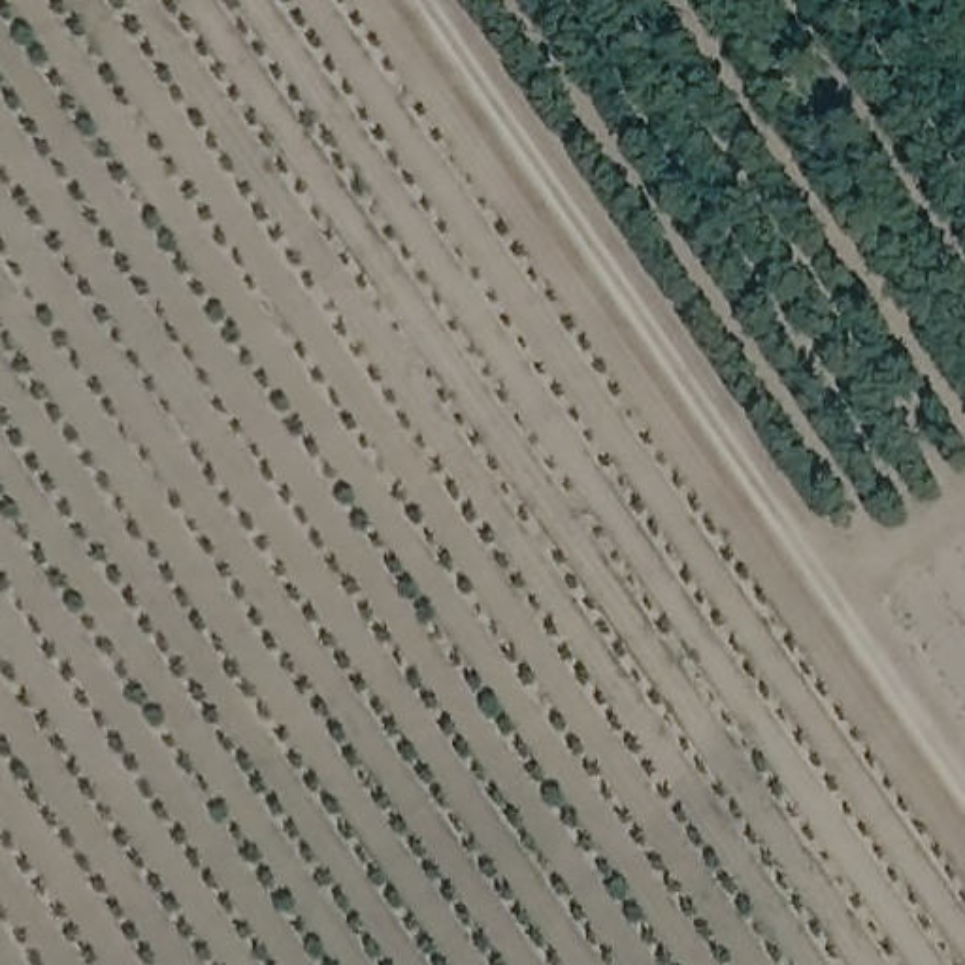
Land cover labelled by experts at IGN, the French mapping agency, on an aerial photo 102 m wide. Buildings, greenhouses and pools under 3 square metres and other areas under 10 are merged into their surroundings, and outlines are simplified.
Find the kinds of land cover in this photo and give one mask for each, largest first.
<instances>
[{"label":"herbaceous vegetation","instance_id":"1","mask_svg":"<svg viewBox=\"0 0 965 965\"><path fill-rule=\"evenodd\" d=\"M11 8H19V15L34 26L38 41L45 45V57L30 60L26 49L11 38V26L0 19V735H8V743L19 750V758L38 780V799H26L23 780L11 777L0 754V965H317V961H313V957L305 954V946H302V939H298V931H294V920H298V916H305V920H309V927H313V931L320 935V942L328 946V954H332V957H335L339 965H377L366 957L362 939L351 935L343 912L332 901V890L313 882V871L320 867H328L343 882L362 924L396 965H430L411 927H403V912H415L426 924L449 965H965V810L935 773V765L924 758L893 705L886 701V694L878 690V682L871 679V671L859 663L841 626L814 599L803 573L792 565L761 513L750 505L754 494H765L769 505L780 513L799 494L792 479L769 460L743 403L720 384L705 351L679 320L671 298H663L656 279L641 268L622 230L611 222L607 207L596 200L592 185L573 166L562 136L535 117L524 90L509 79L498 49L456 0H11ZM23 117L38 121L57 158H64V173H53L41 162V155L19 124ZM147 204H155V211L181 241L188 256L185 271H173L170 253L158 249V237L143 226ZM384 554H400L415 584L430 596L433 614L426 622H418L415 607L396 592ZM121 660L128 663L136 682H143L151 701L162 705L158 724H151L124 697V682L113 671V663ZM467 671H479L486 679V686L498 694L513 724H520L547 777L562 784V792L581 814L573 826L562 822V814L543 799L539 784L524 773L513 739L498 731V724L479 709L471 686L464 682ZM596 690L614 697V712L637 735V750H626L622 739L607 728V712L592 697ZM388 716H396L407 728V739L437 773L445 788L441 803H433L430 788L400 758V743L381 724ZM219 731L234 735L253 754V761L264 773L260 792L249 788V777L215 743ZM498 788L509 792L528 829L547 848L543 863H535V856L520 848L513 822L490 799ZM211 799H226V810L234 814V822H241L245 837L260 848V856L241 859L237 844L230 841V829L211 818ZM682 807L686 814H694V826L709 837L731 878L743 882V890L750 893L746 916L735 912V897H728L716 875H709L701 852L686 841V829L675 822V810ZM392 814H403L407 826H415V833L430 848V859L437 863L430 878L422 875V863L411 856L407 841L388 826ZM354 844H369L377 852V863L400 886V905H388L384 890H377L366 878ZM648 852H660L671 863V875L694 897V908L686 916L679 908V897L663 890L656 867L648 863ZM596 859H611L622 871L630 893L645 908L637 920L622 916V905L607 893ZM679 23L697 41V49L720 68V83L731 90L743 117H750L773 162H780L788 181L807 196V207L826 230L829 245L837 249L844 268H852L856 279L867 286L886 328L901 339L912 366L927 377L954 430L965 441V403L908 328V313L893 302L886 279L859 256L852 234L841 230L837 215L826 207L818 185L803 173L792 147L758 113L739 72L720 49V38L709 34L690 0H667ZM547 68L558 72V83L569 94V106L581 117V124L596 136V143L614 166H622L630 185H641L637 162L618 147V136L599 117L592 94L569 75V64L562 57H547ZM852 113L882 143L893 177L905 185V196L920 211H927L935 230L950 226V215H942L935 200L920 192V177L897 158L890 128L871 113L867 98H852ZM660 237L671 245L690 283L709 298L720 324L743 343L754 377L780 403L803 445L822 464H829V475L841 483L844 494V513L863 509V498L848 479L841 456L822 441L792 388L769 366L758 339L731 313L728 294L709 275L690 241L675 230L671 211H656ZM788 343L803 347L799 369L818 377L826 388H837V373L822 366L829 335L810 339L795 328Z\"/></svg>","mask_w":965,"mask_h":965},{"label":"deciduous trees","instance_id":"2","mask_svg":"<svg viewBox=\"0 0 965 965\"><path fill-rule=\"evenodd\" d=\"M0 19L11 26V38L26 49L30 60L45 57V45L38 41L34 26L19 15V8H11V0H0ZM498 49L509 79L524 90L535 117L562 136L573 166L592 185L596 200L607 207L611 222L622 230L641 268L656 279L663 298H671L679 320L705 351L720 384L743 403L769 460L792 479L799 494L807 509L818 516L837 520L844 513V494L841 483L829 475V464H822L803 445L780 403L754 377L743 343L720 324L709 298L690 283L671 245L660 237L656 211H671L675 230L690 241L709 275L728 294L731 313L758 339L769 366L792 388L822 441L841 456L848 479L863 498V509L886 528H893L905 524L908 501L939 498L931 464L946 460L957 471H965V441L954 430L927 377L912 366L901 339L886 328L867 286L856 279L852 268H844L837 249L829 245L826 230L807 207V196L788 181L780 162H773L750 117H743L731 90L720 83V68L697 49V41L679 23L667 0H456ZM547 57H562L569 64V75L592 94L599 117L618 136V147L637 162L641 185H630L622 166H614L596 143V136L581 124V117L569 106V94L558 83V72L547 68ZM795 328L810 339L829 335L822 366L837 373V388H826L818 377L799 369L803 347L788 343ZM709 34L720 38V49L739 72L758 113L792 147L803 173L818 185L826 207L837 215L841 230L852 234L859 256L886 279L893 302L908 313V328L965 403V0H690ZM852 98H867L871 113L890 128L897 158L920 177V192L935 200L942 215H950V226L935 230L927 211H920L905 196V185L893 177L882 143L852 113ZM19 124L41 155V162L53 173H64V158H57L38 121L23 117ZM143 226L158 237V249L170 253L173 271H185L188 256L181 241L155 211V204H147ZM396 592L415 607L418 622H426L433 614L430 596L415 584L400 554H384ZM113 671L124 682V697L151 724H158L162 705L151 701L143 682H136L128 663L121 660L113 663ZM464 682L471 686L479 709L498 724V731L513 739L524 773L539 784L543 799L562 814V822L573 826L581 814L562 792V784L547 777L520 724H513L498 694L486 686V679L479 671H467ZM592 697L607 712V728L622 739L626 750H637V735L614 712V697L596 690ZM381 724L400 743V758L430 788L433 803H441L445 788L437 773L407 739V728L396 716H388ZM215 743L249 777V788L260 792L264 773L253 761V754L234 735L219 731ZM0 754L11 777L23 780L26 799H38V780L19 758V750L8 743V735H0ZM490 799L513 822L520 848L535 856V863H543L547 848L528 829L509 792L498 788ZM211 818L230 829V841L237 844L241 859L260 856V848L245 837L241 822H234V814L226 810V799H211ZM675 822L686 829V841L701 852L709 875H716L728 897H735V912L746 916L750 893L743 890V882L731 878L709 837L694 826V814H686L682 807L675 810ZM388 826L407 841L411 856L422 863V875L430 878L437 863L430 859V848L415 833V826H407L403 814H392ZM366 878L377 890H384L388 905H400V886L377 863V852L369 844H354ZM648 863L656 867L663 890L679 897V908L686 916L694 908V897L671 875V863L660 852H648ZM607 893L622 905V916L637 920L645 908L630 893L622 871L611 859H596ZM313 882L332 890V901L343 912L351 935L362 939L366 957L377 965H396L362 924L343 882L328 867H320L313 871ZM403 927H411L430 965H449L426 924L415 912H403ZM294 931H298V939H302V946H305V954L313 957V961H317V965H339L335 957H332V954H328V946L320 942V935L313 931V927H309V920H305V916H298V920H294Z\"/></svg>","mask_w":965,"mask_h":965},{"label":"agricultural land","instance_id":"3","mask_svg":"<svg viewBox=\"0 0 965 965\"><path fill-rule=\"evenodd\" d=\"M826 569L863 618L875 645L890 656L905 686L916 694L946 746L965 761V505L946 509L942 528L924 532L916 543L901 539L893 528H886L863 554L822 550Z\"/></svg>","mask_w":965,"mask_h":965},{"label":"pervious surface","instance_id":"4","mask_svg":"<svg viewBox=\"0 0 965 965\"><path fill-rule=\"evenodd\" d=\"M939 498L908 501L905 524L893 528L901 539L916 543L924 532L942 528L946 509L965 505V471H957L946 460L931 464ZM750 505L761 513L792 565L803 573L814 599L841 626L859 663L871 671V679L878 682V690L886 694V701L893 705L924 758L935 765V773L965 810V761L946 746L916 694L905 686L890 656L875 645L863 618L826 569L822 550L863 554L886 528L863 509L844 513L837 520L818 516L807 509L799 494L780 513L769 505L765 494H754Z\"/></svg>","mask_w":965,"mask_h":965}]
</instances>
